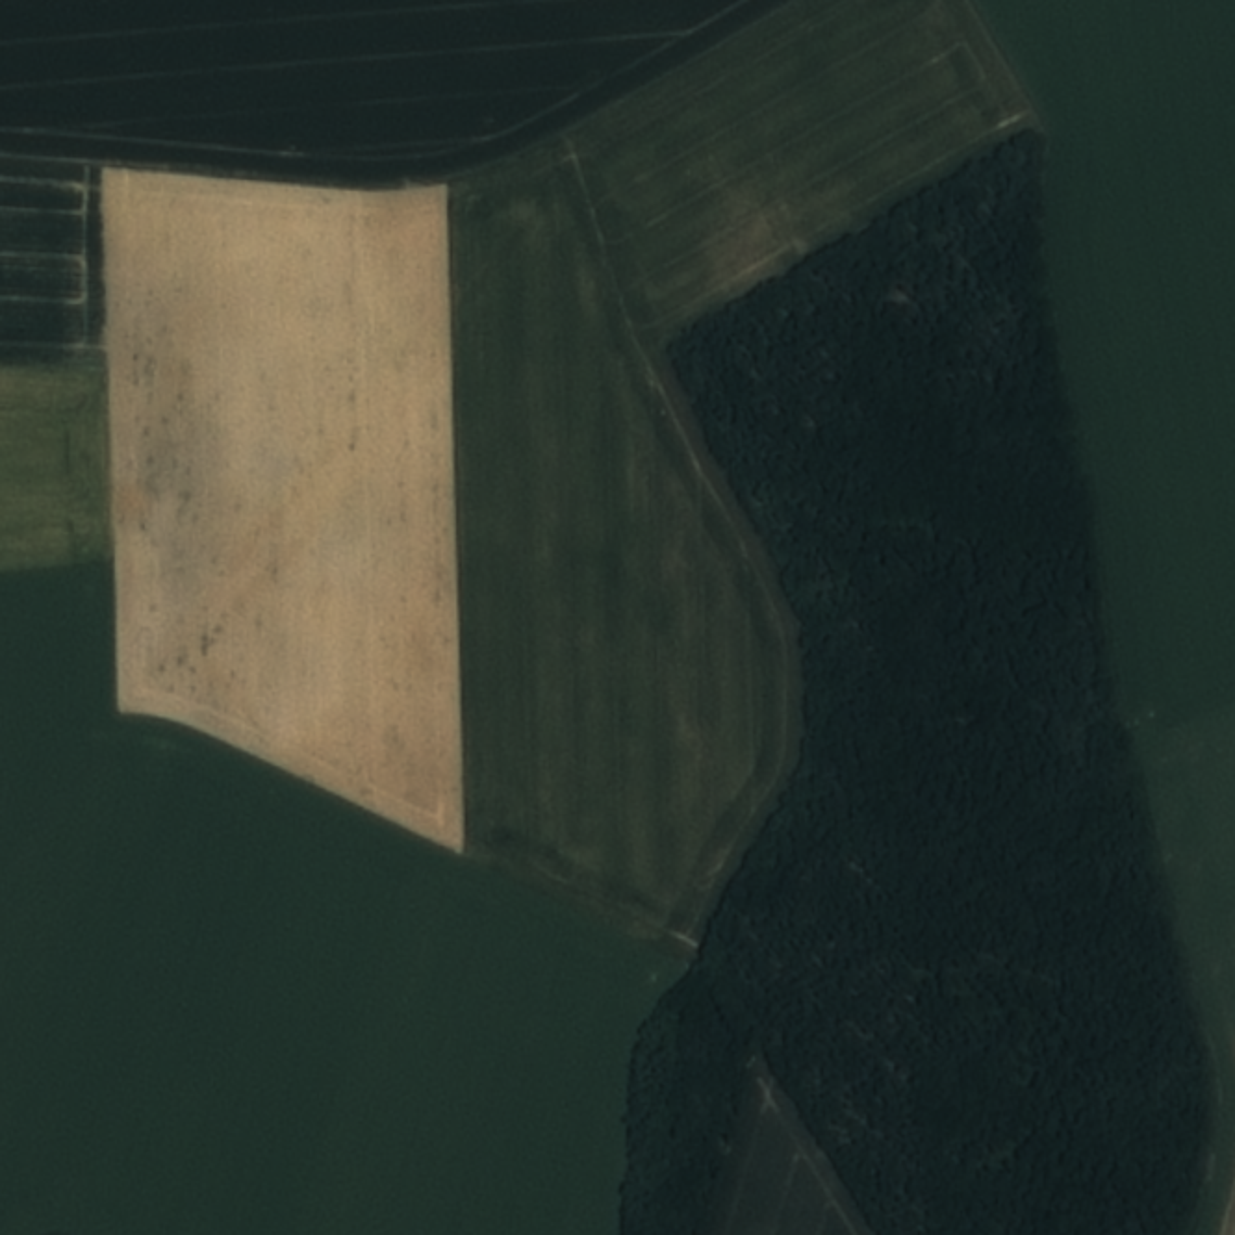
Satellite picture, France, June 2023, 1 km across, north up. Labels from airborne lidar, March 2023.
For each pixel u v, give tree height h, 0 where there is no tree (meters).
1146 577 0
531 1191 0
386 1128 0
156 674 0
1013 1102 19
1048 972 16
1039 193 15
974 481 20
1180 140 0
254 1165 0
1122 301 0
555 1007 0
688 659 0
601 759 0
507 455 0
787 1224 0
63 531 0
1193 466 0
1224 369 0
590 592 0
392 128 0
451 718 0
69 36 0
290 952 0
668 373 0
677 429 0
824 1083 18
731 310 13
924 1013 17
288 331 0
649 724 0
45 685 0
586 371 0
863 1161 17
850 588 16
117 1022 0
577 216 0
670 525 0
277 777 0
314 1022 0
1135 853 19
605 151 0
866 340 19
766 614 0
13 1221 0
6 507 0
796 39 0
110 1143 0
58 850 0
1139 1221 10
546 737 0
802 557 13
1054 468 20
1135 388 0
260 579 0
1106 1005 10
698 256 0
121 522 0
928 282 19
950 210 17
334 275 0
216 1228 0
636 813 0
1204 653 0
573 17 0
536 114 0
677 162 0
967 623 16
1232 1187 0
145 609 0
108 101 0
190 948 0
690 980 11
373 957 0
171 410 0
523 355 0
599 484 0
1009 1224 21
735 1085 16
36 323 0
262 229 0
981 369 20
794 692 0
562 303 0
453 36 0
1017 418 18
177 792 0
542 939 0
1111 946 18
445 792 0
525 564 0
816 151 0
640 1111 15
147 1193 0
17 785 0
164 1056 0
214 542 0
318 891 0
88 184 0
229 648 0
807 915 20
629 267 0
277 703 0
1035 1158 19
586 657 0
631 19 0
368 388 0
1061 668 20
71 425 0
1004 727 7
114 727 0
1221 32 0
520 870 0
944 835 18
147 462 0
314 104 0
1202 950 0
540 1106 0
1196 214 0
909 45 0
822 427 17
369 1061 0
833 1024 20
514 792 0
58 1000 0
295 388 0
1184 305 0
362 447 0
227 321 0
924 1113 17
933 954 19
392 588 0
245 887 0
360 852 0
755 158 0
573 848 0
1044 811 21
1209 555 0
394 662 0
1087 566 16
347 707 0
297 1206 0
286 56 0
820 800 16
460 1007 0
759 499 16
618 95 0
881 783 18
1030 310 18
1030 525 21
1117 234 0
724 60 0
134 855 0
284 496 0
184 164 0
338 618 0
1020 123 0
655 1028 16
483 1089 0
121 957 0
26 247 0
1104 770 19
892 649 22
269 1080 0
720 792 0
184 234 0
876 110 0
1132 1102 20
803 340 21
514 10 0
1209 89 0
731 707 0
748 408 21
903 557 20
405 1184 0
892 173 0
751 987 18
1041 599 17
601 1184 0
